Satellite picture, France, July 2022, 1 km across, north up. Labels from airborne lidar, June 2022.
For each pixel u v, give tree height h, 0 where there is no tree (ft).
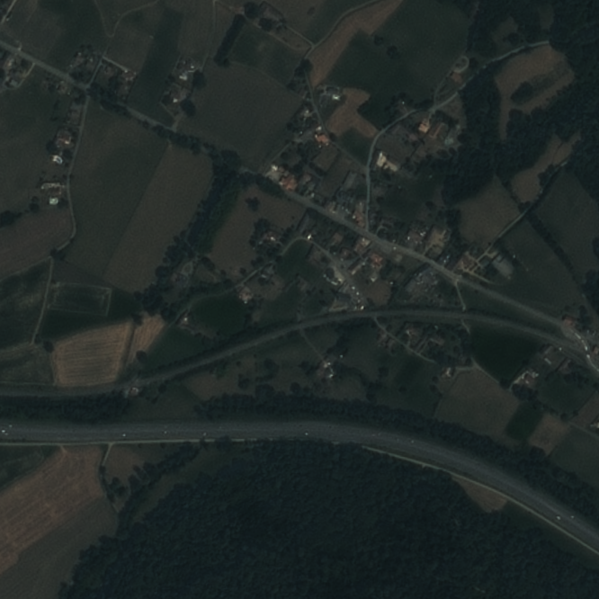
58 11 0
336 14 0
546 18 0
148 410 0
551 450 0
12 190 0
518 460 31
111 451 0
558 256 54
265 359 0
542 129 67
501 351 0
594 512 92
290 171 25
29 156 0
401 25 0
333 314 0
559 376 21
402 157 0
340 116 0
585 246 0
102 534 0
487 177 77
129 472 0
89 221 0
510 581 90
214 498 89
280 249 33
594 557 0
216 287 22
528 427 0
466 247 24
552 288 0
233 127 0
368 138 0
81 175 0
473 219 0
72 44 0
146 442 0
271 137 0
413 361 0
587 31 68
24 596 0
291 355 0
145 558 61
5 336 0
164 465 34
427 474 60
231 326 0
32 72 0
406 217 0
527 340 0
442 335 28
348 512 93
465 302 0
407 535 31
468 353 45
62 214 0
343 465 88
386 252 0
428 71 0
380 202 39
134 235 0
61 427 0
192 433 0
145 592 64
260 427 0
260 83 0
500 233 0
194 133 0
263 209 0
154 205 0
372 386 50
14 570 0
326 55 0
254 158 0
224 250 0
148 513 0
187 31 0
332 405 75
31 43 0
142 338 0
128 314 0
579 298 0
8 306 0
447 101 0
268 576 73
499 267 0
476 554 24
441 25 0
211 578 80
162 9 0
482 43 83
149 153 0
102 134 0
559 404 0
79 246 0
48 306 0
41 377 0
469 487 0
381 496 93
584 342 0
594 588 97
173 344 0
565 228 0
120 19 0
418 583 52
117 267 0
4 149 0
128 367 0
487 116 66
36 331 0
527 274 0
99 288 0
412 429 29
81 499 0
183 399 0
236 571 81
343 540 102
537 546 85
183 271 0
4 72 33
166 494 0
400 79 0
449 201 62
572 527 0
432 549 66
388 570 32
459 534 73
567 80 0
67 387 0
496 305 0
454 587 50
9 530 0
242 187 83
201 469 0
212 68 0
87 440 0
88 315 0
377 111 0
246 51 0
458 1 63
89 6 0
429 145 0
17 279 0
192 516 84
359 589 83
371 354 0
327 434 0
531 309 0
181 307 22
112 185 0
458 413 0
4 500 0
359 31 0
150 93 0
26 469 0
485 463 0
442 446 0
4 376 0
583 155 69
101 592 33
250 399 57
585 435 0
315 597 78
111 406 83
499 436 0
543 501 0
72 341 0
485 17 60
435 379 21
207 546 107
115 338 0
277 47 0
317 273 0
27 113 0
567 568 90
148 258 0
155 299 60
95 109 0
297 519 62
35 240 0
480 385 0
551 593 88
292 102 0
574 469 0
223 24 0
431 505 68
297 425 0
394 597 74
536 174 0
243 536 40
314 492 85
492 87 65
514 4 65
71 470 0
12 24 0
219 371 24
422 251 0
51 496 0
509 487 0
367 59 0
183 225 0
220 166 55
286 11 0
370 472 91
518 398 41
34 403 21
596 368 0
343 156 0
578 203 0
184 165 0
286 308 0
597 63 52
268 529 60
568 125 82
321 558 71
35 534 0
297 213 0
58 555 0
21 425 0
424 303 0
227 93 0
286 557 71
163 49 0
